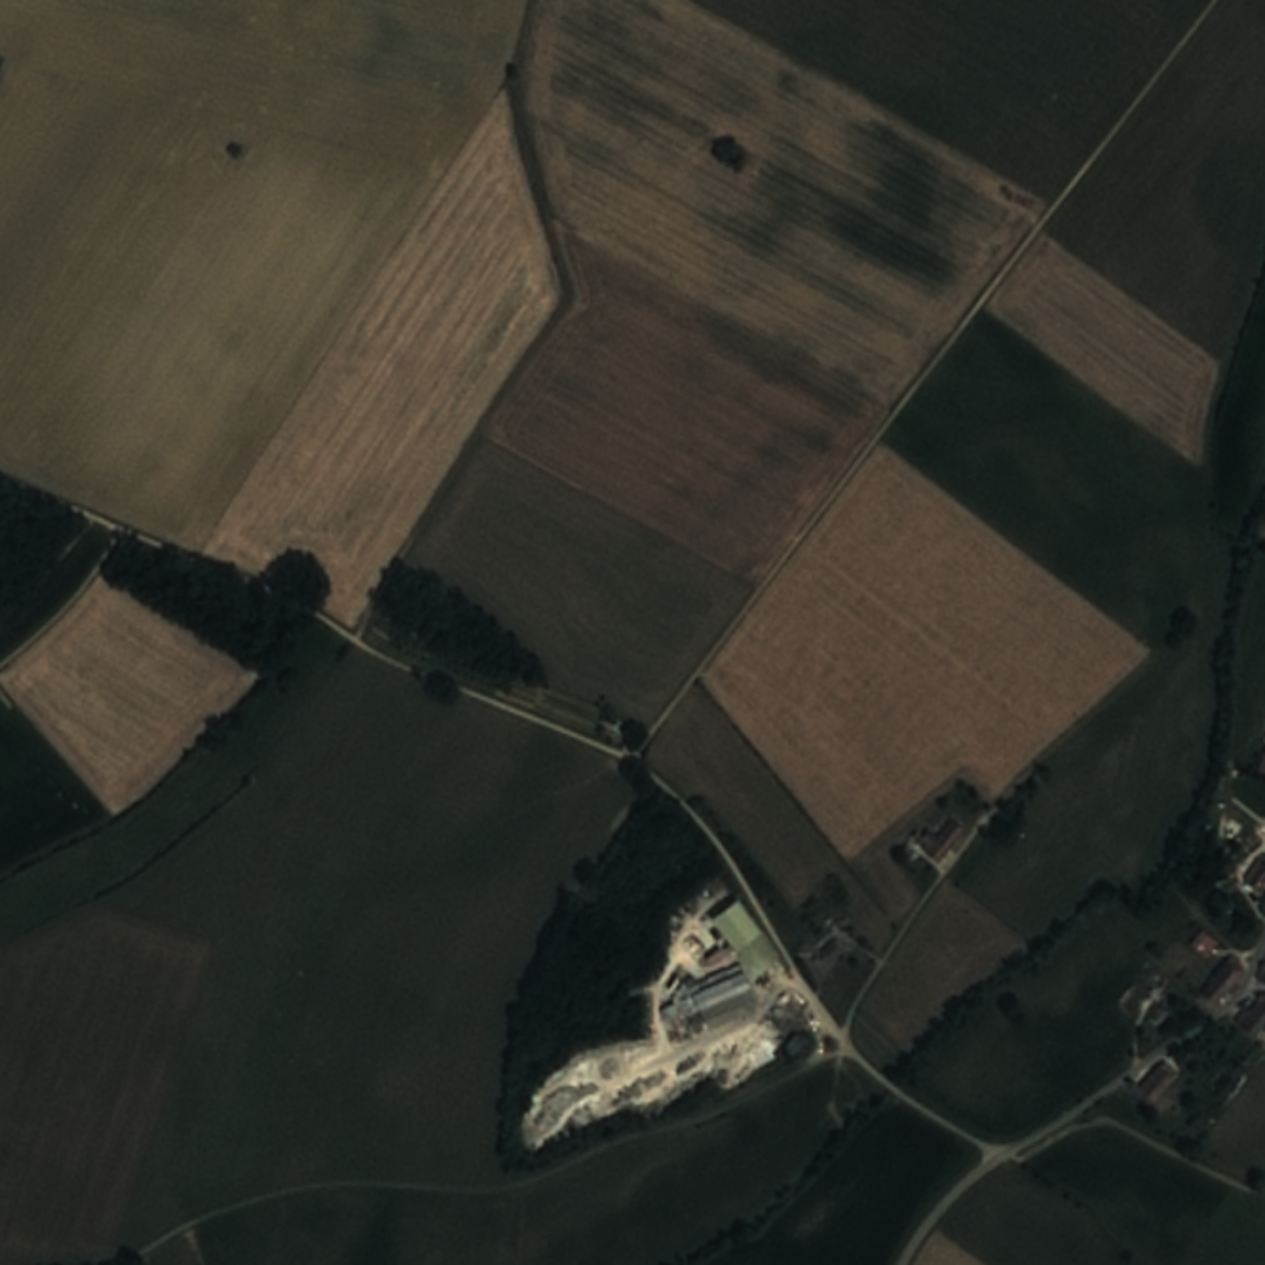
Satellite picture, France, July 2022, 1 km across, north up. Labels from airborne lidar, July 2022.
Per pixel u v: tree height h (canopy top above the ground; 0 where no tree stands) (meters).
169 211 0
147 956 0
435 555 0
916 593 0
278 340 0
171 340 0
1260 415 0
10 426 0
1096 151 0
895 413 0
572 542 0
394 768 0
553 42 0
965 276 0
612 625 0
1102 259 0
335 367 0
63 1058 0
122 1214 0
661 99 0
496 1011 0
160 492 0
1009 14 0
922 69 0
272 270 0
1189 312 0
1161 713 0
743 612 0
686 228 0
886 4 0
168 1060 0
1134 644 0
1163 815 0
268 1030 0
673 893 16
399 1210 0
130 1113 0
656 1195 0
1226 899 13
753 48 0
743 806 0
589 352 0
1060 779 0
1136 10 0
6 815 0
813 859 0
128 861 0
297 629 18
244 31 0
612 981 18
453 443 0
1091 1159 0
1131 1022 0
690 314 0
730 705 0
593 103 0
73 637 0
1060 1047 0
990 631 0
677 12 0
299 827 0
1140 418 0
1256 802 0
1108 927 0
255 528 0
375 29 0
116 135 0
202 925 0
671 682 0
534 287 0
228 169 0
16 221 0
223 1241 0
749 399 0
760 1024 0
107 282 0
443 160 0
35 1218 0
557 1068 13
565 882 0
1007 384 0
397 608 22
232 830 0
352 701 0
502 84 0
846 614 0
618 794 0
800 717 0
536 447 0
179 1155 0
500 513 0
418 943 0
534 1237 0
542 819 0
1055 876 0
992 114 0
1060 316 0
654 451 0
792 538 0
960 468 0
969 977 0
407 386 0
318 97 0
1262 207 0
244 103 0
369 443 0
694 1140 0
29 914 0
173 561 19
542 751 0
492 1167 0
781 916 0
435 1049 0
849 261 0
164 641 0
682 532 0
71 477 0
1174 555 0
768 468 0
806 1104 0
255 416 0
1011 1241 0
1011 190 0
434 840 0
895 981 0
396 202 0
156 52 0
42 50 0
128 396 0
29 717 0
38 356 0
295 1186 0
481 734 0
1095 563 0
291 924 0
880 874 0
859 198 0
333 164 0
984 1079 0
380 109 0
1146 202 0
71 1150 0
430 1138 0
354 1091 0
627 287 0
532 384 0
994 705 0
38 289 0
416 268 0
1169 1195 0
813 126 0
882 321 0
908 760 0
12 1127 0
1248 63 0
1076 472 0
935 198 0
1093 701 0
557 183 0
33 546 24
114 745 0
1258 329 0
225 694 0
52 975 0
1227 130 0
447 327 0
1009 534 0
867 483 0
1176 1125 0
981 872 0
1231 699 11
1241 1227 0
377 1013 0
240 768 0
